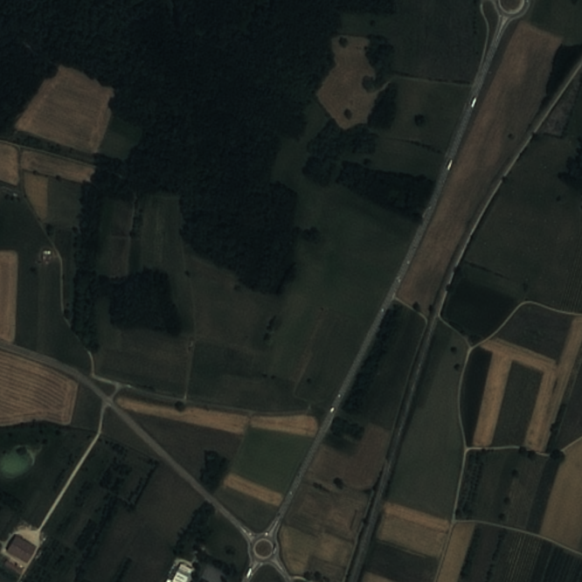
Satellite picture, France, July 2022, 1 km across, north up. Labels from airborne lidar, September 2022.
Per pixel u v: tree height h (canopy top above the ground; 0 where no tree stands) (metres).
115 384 0
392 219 0
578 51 10
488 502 0
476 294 0
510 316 0
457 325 7
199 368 0
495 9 0
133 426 0
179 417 0
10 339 0
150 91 19
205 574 0
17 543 0
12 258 0
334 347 0
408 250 0
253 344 0
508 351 0
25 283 0
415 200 17
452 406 0
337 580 0
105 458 0
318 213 0
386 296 0
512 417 0
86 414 0
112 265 0
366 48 7
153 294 25
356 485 0
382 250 0
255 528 0
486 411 0
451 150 0
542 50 0
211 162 23
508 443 0
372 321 0
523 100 0
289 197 20
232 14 23
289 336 0
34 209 0
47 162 0
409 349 0
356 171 20
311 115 0
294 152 0
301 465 0
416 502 0
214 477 15
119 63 20
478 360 0
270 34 18
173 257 0
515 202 0
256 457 0
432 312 10
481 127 0
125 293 21
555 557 0
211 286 0
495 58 0
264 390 0
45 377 0
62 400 0
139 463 0
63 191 0
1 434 0
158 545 0
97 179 22
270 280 21
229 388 0
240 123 22
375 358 11
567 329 0
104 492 0
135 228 6
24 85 25
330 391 0
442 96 0
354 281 0
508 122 0
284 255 20
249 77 20
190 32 26
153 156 23
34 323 0
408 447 0
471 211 0
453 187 0
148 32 21
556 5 0
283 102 20
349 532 0
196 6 23
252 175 24
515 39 0
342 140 20
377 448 0
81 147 0
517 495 0
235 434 0
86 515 0
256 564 0
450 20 0
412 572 0
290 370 0
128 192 15
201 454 0
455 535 0
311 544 0
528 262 0
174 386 0
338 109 0
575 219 0
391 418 0
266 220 16
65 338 0
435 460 0
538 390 0
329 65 6
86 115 0
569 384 0
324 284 0
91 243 12
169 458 0
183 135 20
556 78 10
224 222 9
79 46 20
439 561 0
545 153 0
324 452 0
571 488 0
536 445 0
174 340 0
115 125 0
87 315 6
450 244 0
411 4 0
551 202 0
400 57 0
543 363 0
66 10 19
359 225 0
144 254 0
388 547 0
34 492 0
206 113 24
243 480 0
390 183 13
